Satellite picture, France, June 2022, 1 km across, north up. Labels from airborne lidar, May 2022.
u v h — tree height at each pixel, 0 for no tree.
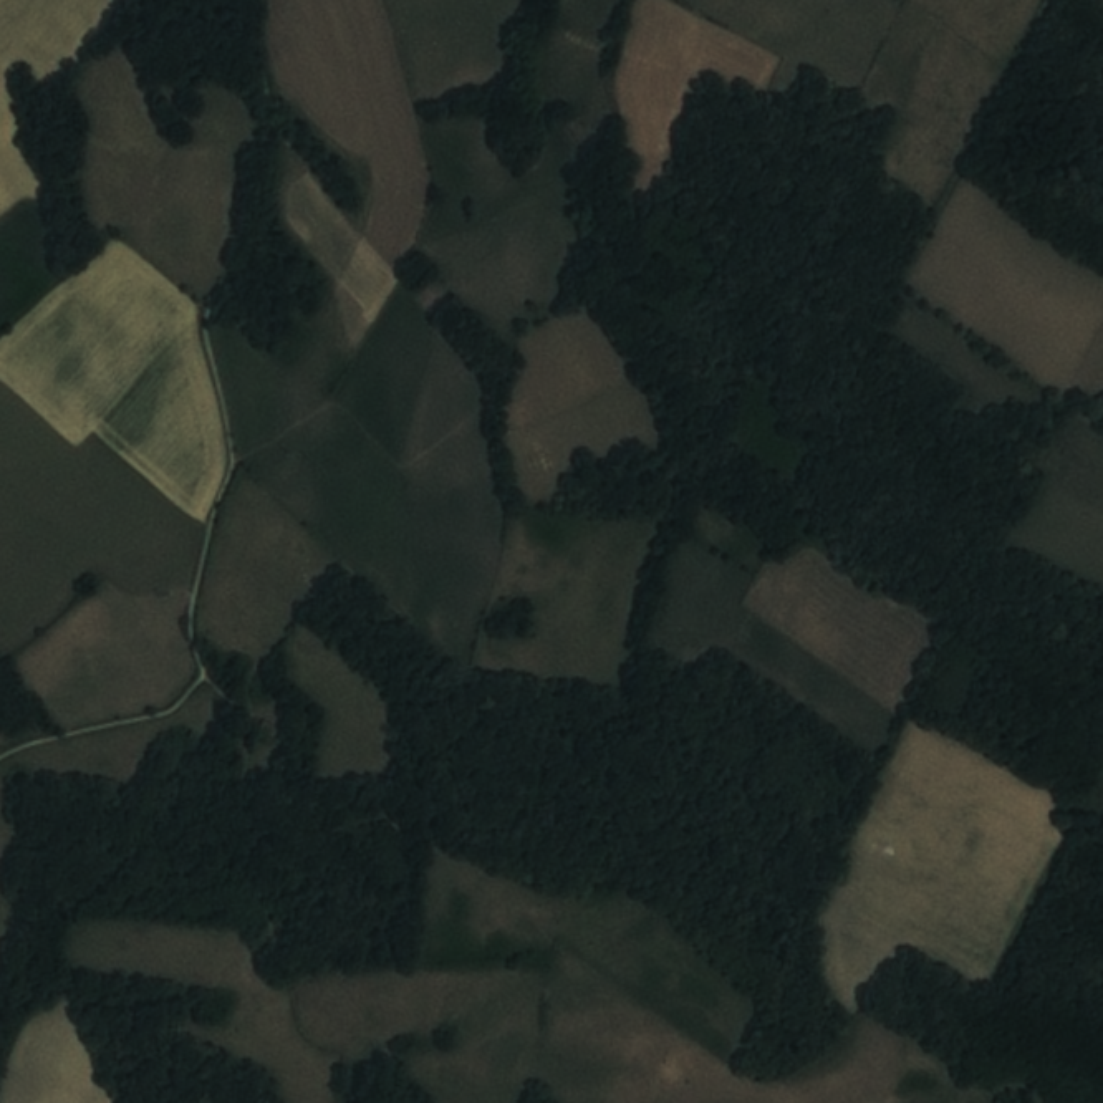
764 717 10
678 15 0
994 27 0
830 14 0
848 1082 0
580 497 17
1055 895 18
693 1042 0
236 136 0
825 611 0
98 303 0
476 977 0
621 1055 0
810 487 20
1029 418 12
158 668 0
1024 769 21
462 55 0
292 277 20
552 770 20
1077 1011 16
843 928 0
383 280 0
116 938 0
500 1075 0
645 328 24
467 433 0
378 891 9
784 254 19
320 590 22
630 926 0
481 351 14
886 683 0
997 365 11
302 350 0
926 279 0
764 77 0
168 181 0
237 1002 0
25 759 0
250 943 10
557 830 14
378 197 0
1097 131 31
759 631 0
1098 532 0
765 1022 19
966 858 0
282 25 0
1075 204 19
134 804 17
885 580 14
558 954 0
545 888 9
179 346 0
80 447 0
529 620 8
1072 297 0
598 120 0
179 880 11
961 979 17
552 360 0
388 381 0
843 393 18
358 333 0
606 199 23
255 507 0
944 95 0
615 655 0
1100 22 19
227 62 24
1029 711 18
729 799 10
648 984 0
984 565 13
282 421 0
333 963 16
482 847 12
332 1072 9
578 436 0
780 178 12
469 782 21
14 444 0
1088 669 12
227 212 0
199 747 13
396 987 0
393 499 0
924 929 0
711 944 18
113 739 0
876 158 18
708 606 0
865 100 7
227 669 8
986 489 15
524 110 26
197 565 0
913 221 15
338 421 0
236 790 18
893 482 17
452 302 14
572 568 0
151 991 19
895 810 0
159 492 0
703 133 22
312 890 21
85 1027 14
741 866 12
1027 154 15
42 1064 0
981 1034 11
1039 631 16
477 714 18
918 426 7
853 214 14
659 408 12
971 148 10
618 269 25
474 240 0
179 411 0
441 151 0
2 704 24
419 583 0
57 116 21
